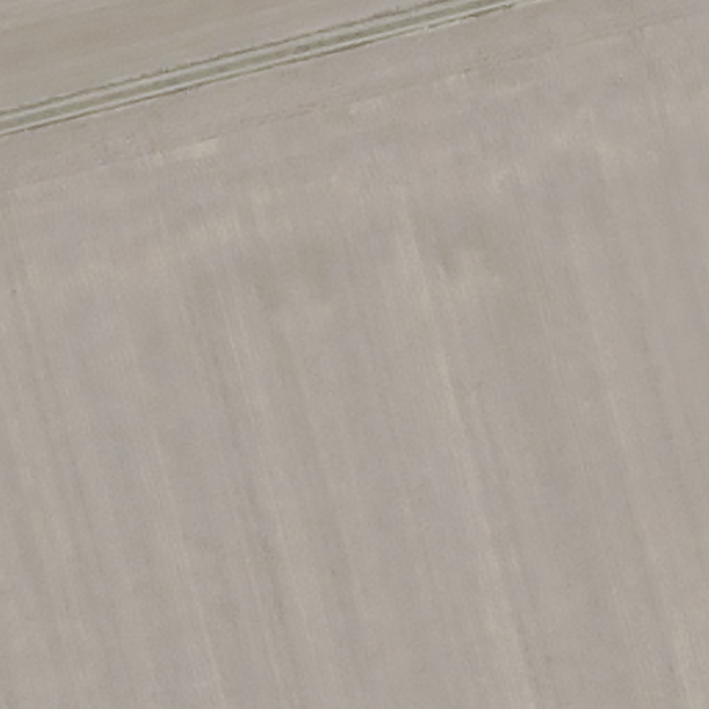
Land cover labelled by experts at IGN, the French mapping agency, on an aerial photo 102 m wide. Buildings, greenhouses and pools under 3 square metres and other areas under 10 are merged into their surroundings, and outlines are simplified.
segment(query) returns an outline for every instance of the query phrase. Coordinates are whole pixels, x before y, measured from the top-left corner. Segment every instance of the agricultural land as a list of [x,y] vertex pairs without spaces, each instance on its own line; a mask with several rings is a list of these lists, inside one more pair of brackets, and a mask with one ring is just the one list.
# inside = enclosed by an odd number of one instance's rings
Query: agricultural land
[[352,14],[385,0],[0,0],[0,105],[19,102],[25,97],[36,100],[44,91],[66,91],[69,97],[78,97],[94,91],[91,83],[97,80],[138,72],[158,61],[174,61],[174,66],[180,66],[186,55],[230,50],[244,42],[258,42],[260,36],[302,28],[324,17]]
[[709,709],[709,0],[551,0],[529,8],[504,6],[501,17],[496,19],[460,25],[440,33],[396,39],[379,47],[366,44],[360,50],[343,53],[341,58],[324,58],[324,53],[318,53],[316,64],[302,69],[285,69],[266,78],[213,86],[197,94],[183,91],[150,108],[133,108],[114,116],[66,125],[50,133],[39,133],[33,138],[0,141],[0,709]]

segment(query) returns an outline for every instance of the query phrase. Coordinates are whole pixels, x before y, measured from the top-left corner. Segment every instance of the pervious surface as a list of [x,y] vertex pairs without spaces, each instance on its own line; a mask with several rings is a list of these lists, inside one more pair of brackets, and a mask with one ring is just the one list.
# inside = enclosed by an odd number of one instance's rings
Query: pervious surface
[[78,97],[69,97],[66,91],[44,91],[36,100],[25,97],[19,102],[0,105],[0,141],[33,138],[39,133],[50,133],[66,125],[114,116],[133,108],[150,108],[183,91],[197,94],[213,86],[266,78],[285,69],[302,69],[316,64],[318,53],[324,53],[324,58],[341,58],[343,53],[360,50],[366,44],[379,47],[396,39],[440,33],[460,25],[496,19],[501,17],[504,6],[529,8],[551,0],[385,0],[352,14],[324,17],[302,28],[260,36],[258,42],[244,42],[230,50],[186,55],[180,66],[174,66],[174,61],[158,61],[138,72],[97,80],[91,83],[94,91]]

